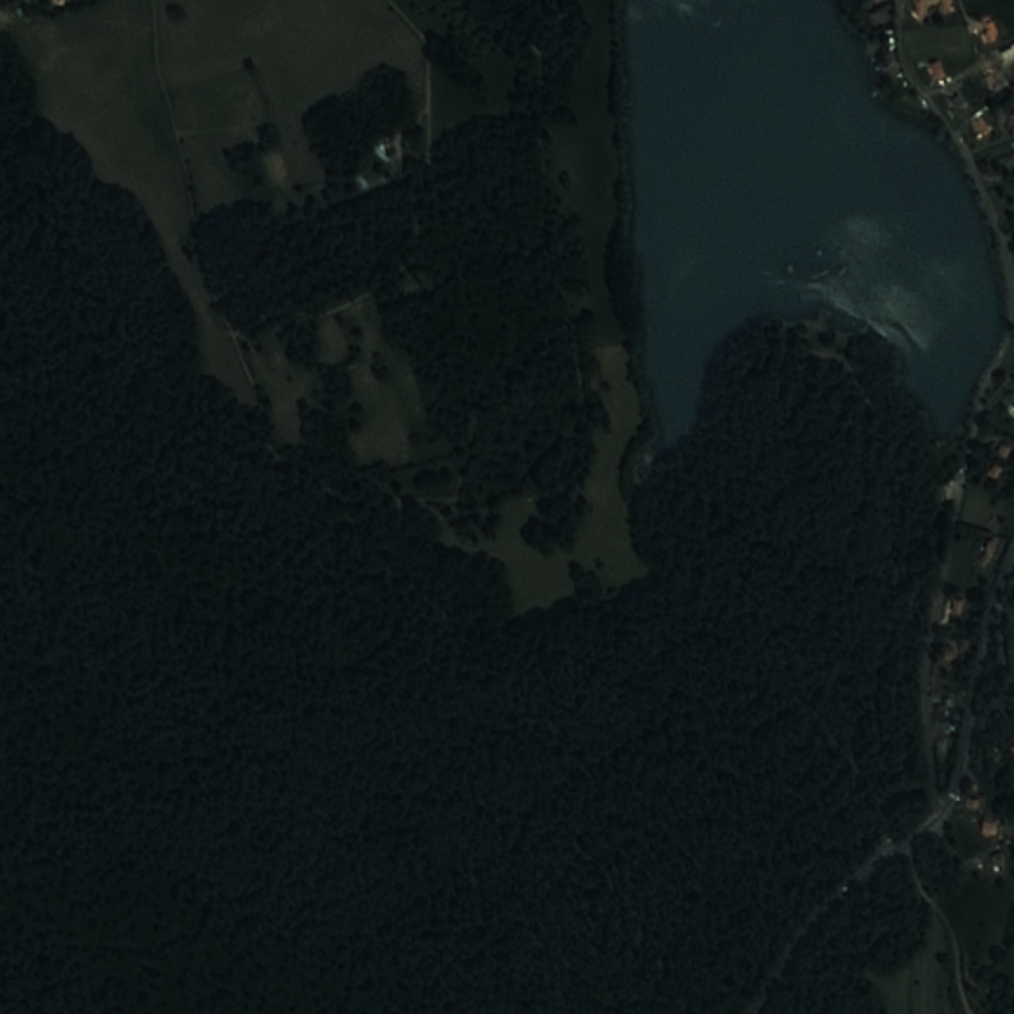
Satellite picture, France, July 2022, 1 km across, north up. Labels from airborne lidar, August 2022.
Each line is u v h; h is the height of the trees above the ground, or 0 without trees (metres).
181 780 7
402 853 21
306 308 9
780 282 0
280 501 19
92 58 0
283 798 18
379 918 14
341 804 23
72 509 24
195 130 0
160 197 0
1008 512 0
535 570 0
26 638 18
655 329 0
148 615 18
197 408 18
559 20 10
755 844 22
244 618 9
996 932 0
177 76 0
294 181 0
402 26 0
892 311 0
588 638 18
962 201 0
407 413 0
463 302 13
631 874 18
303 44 0
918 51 0
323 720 24
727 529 22
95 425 24
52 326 22
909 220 0
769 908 14
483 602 25
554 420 11
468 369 8
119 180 0
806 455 20
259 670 16
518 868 19
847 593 14
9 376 22
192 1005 8
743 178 0
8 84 10
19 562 15
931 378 0
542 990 19
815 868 20
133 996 9
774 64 0
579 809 20
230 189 0
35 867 21
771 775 22
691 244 0
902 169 0
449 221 13
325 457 18
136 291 19
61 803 13
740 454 22
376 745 18
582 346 10
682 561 17
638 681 11
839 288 0
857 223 0
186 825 20
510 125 20
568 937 15
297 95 0
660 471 7
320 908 18
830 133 0
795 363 20
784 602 19
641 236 0
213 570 13
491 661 15
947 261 0
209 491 11
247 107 0
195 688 26
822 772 20
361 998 7
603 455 0
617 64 11
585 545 0
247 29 0
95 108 0
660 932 21
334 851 16
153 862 7
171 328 21
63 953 8
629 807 22
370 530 22
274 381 0
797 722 23
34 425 21
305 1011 7
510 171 10
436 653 9
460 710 16
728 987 23
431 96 0
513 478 18
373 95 10
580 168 0
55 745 16
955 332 0
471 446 7
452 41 15
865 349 14
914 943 19
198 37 0
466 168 15
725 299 0
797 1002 18
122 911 8
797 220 0
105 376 20
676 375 0
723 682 21
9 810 8
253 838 6
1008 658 10
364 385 0
